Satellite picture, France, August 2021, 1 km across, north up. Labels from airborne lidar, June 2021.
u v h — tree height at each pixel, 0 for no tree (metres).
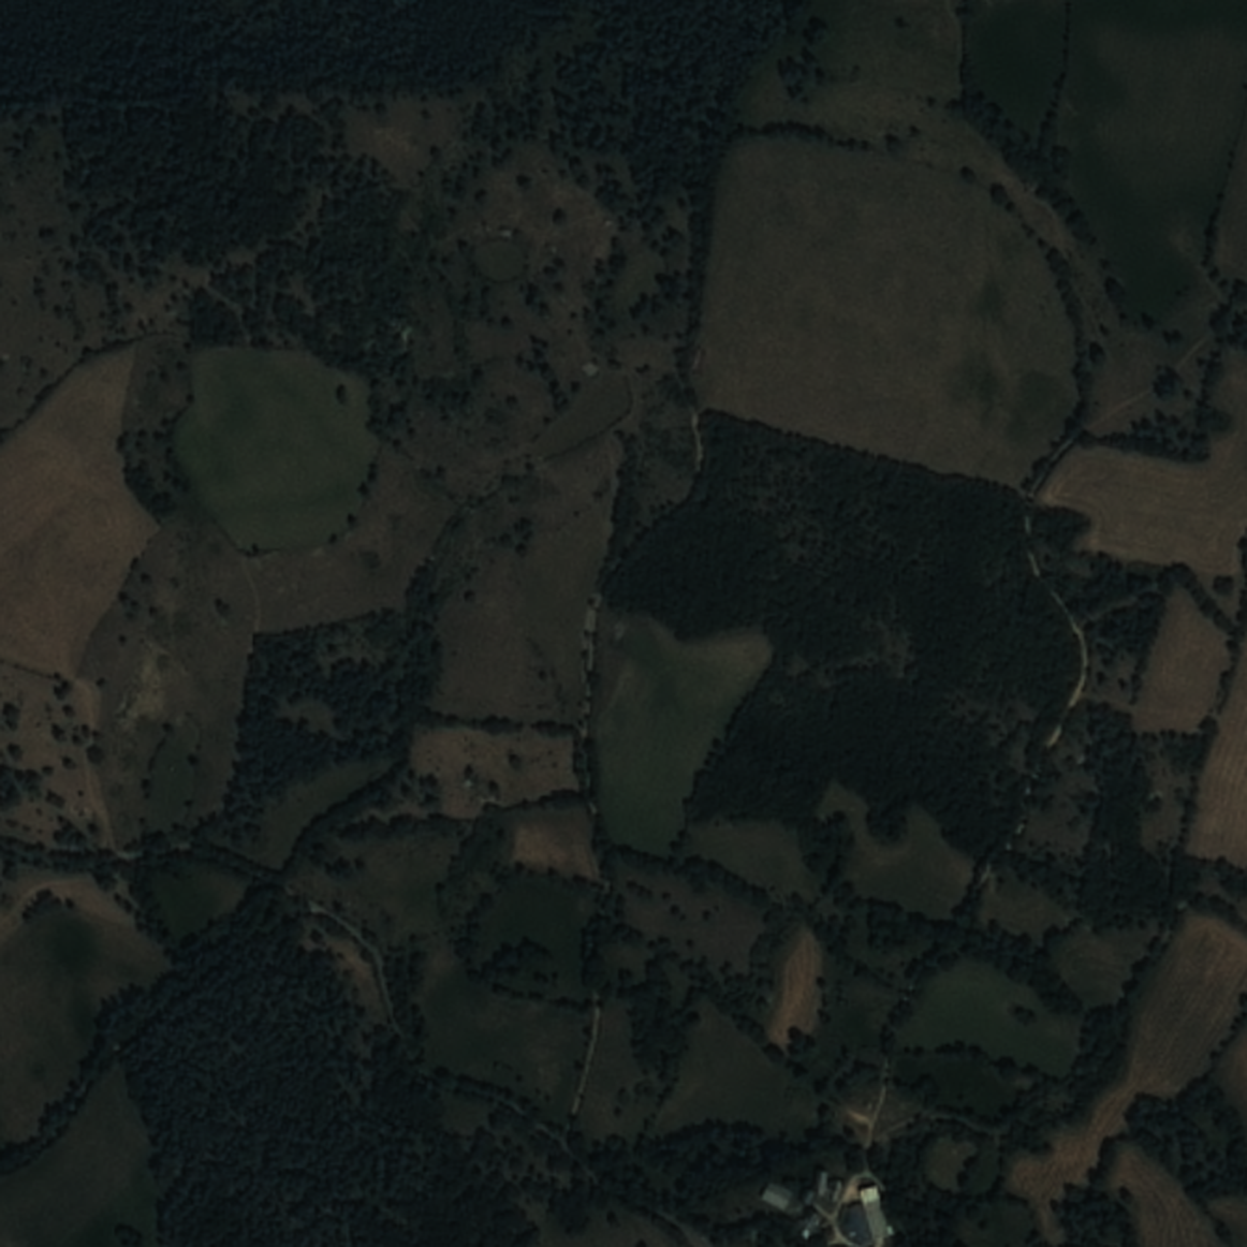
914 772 11
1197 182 0
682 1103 0
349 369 12
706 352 0
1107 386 0
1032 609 10
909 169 0
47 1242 0
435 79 9
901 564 12
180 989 11
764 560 11
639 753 0
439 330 0
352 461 0
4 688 0
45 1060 0
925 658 12
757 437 8
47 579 0
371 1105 11
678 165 12
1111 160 0
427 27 12
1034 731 7
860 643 8
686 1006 10
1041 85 0
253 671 10
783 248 0
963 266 0
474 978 11
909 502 8
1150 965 9
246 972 14
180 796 0
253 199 17
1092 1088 13
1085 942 0
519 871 12
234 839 8
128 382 0
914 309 0
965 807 13
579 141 7
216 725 0
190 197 11
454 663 0
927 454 0
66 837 9
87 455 0
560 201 0
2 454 0
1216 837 0
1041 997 9
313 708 0
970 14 8
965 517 13
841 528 9
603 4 17
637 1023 7
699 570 11
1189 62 0
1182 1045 0
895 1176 8
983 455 0
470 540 0
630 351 0
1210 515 0
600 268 8
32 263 0
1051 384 0
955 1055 12
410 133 0
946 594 12
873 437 0
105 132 13
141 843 6
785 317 0
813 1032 0
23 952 0
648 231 11
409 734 10
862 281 0
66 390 0
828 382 0
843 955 11
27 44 8
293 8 9
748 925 0
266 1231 13
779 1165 16
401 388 10
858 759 12
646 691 0
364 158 6
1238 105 0
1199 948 0
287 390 0
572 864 0
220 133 13
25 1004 0
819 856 12
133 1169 0
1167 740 8
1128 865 11
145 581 7
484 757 0
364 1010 7
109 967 0
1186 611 0
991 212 0
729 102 15
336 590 0
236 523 0
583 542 0
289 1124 13
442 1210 13
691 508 11
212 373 0
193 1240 12
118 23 9
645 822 0
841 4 0
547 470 0
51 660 0
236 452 0
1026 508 7
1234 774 0
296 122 11
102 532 0
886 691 10
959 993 0
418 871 0
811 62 14
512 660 0
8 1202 0
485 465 0
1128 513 0
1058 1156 0
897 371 0
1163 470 0
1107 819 14
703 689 0
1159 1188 0
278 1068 16
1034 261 0
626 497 9
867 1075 8
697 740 0
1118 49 0
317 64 11
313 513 0
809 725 11
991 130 11
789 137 9
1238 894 11
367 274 8
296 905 8
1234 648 11
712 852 0
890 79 0
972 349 0
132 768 0
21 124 8
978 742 12
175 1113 19
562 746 0
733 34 18
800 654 6
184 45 10
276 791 15
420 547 0
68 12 10
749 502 9
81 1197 0
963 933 11
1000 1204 11
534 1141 9
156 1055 16
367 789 7
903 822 9
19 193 0
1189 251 0
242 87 7
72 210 8
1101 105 0
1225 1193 11
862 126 0
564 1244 0
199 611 0
